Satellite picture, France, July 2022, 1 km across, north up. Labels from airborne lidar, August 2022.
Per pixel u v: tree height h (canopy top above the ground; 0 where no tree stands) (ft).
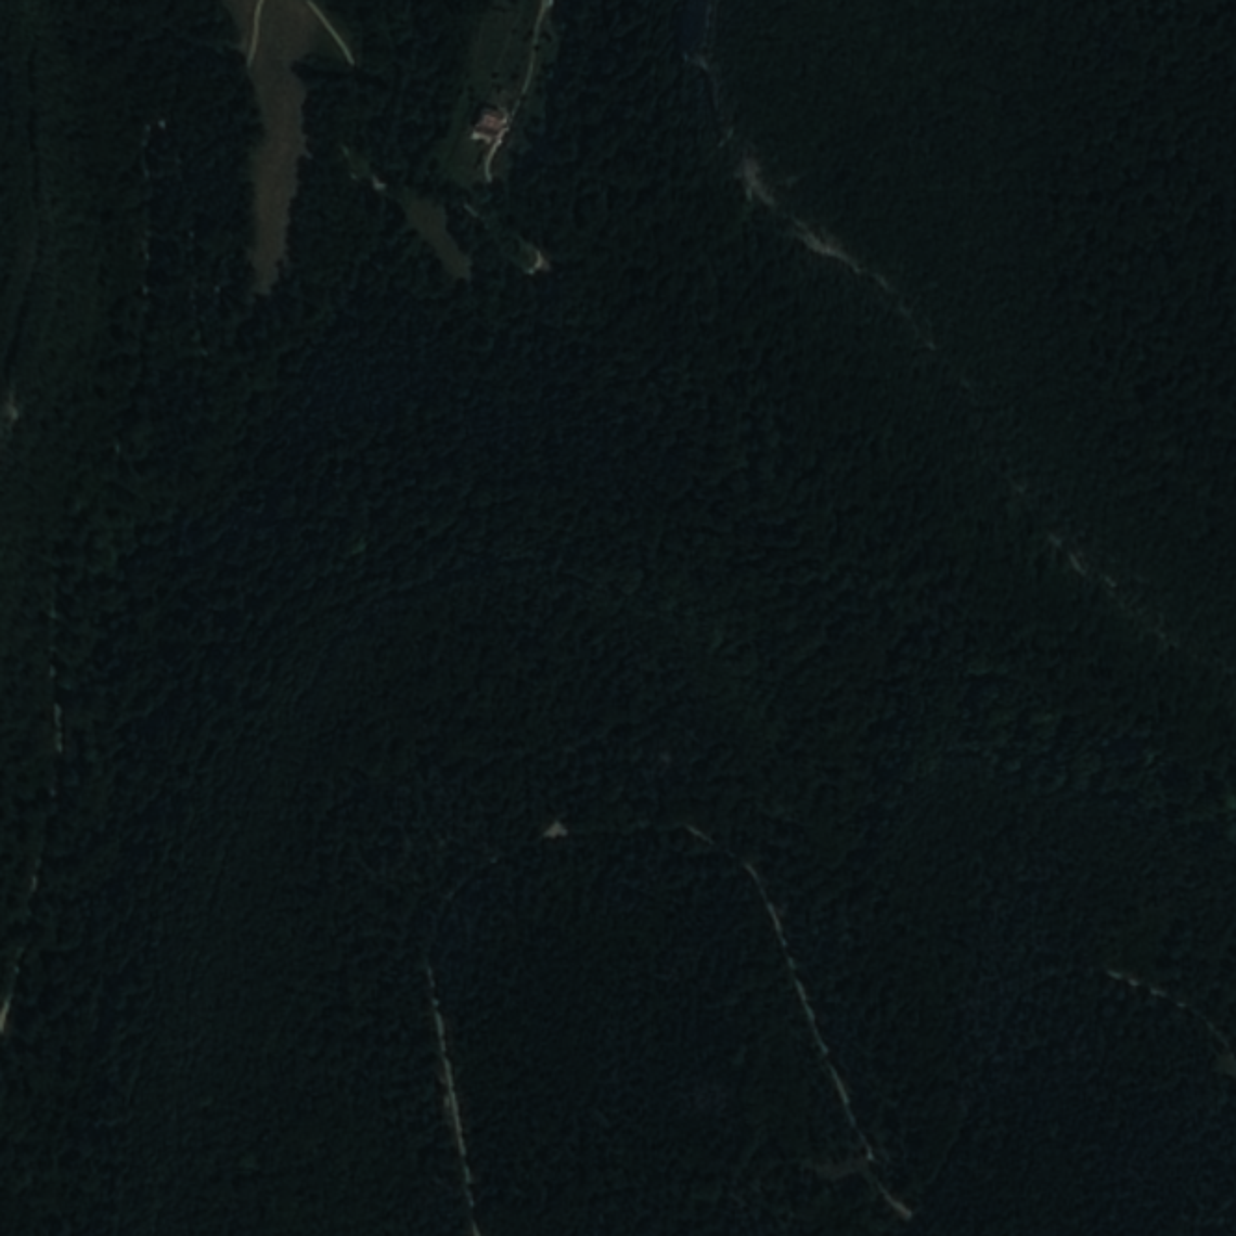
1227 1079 35
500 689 58
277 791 37
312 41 0
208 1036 30
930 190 38
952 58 57
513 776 63
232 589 111
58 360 54
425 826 19
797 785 78
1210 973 63
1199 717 78
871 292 40
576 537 57
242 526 120
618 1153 27
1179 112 77
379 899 64
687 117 87
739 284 83
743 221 61
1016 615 87
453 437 107
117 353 79
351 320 125
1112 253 91
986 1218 54
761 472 127
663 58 70
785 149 35
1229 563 67
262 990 50
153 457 97
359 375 94
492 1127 26
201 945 40
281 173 0
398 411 114
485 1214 64
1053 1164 54
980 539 81
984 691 111
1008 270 48
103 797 79
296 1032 48
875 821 108
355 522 119
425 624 55
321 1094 68
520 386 94
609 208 82
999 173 47
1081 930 69
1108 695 94
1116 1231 72
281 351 55
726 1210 42
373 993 29
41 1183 77
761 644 63
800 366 101
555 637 58
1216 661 28
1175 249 83
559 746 35
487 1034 38
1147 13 68
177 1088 37
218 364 65
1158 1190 80
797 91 38
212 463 111
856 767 116
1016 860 68
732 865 64
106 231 87
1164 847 59
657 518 108
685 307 98
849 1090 20
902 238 33
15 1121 85
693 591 60
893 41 49
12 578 45
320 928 56
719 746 64
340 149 85
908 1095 61
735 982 66
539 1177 22
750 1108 71
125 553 27
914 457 73
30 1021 100
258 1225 56
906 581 101
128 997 31
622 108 101
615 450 101
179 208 108
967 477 51
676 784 76
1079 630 81
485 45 0
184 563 87
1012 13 50
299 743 37
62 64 74
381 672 36
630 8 103
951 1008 45
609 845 42
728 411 115
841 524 94
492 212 56
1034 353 41
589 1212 56
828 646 139
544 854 66
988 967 76
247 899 41
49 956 90
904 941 52
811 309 58
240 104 94
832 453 109
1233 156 97
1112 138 81
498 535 106
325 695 50
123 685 110
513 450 101
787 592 109
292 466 104
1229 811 64
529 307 102
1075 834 49
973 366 30
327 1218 34
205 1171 57
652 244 87
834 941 115
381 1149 39
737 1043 71
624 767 67
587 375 97
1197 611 37
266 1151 60
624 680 63
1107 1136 56
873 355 58
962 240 52
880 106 38
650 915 37
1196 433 78
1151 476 61
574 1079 27
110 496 99
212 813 67
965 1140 63
